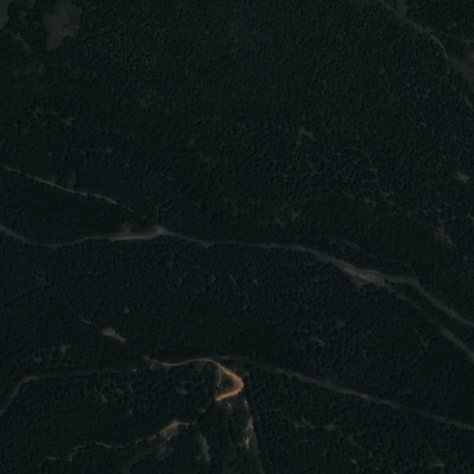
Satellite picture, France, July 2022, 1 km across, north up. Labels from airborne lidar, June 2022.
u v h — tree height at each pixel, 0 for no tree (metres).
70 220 15
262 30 14
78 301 22
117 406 9
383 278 0
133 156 19
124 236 0
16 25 14
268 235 21
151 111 19
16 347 17
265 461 14
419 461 24
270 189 19
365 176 16
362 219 11
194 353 18
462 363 17
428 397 13
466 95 15
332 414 18
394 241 16
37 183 11
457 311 14
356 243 18
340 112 11
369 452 18
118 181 18
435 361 22
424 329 26
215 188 14
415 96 10
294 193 14
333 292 17
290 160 15
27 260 13
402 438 13
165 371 11
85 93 24
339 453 19
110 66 11
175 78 12
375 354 16
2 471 22
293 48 10
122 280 24
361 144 13
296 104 11
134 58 16
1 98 13
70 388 26
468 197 13
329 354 10
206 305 12
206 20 14
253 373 16
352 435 20
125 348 13
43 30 15
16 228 26
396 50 12
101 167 17
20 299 17
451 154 12
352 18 12
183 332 28
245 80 13
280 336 19
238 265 18
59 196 18
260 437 19
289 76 13
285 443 21
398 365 19
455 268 12
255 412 16
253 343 15
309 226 25
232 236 21
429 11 13
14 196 24
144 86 15
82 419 16
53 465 21
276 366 17
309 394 23
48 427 9
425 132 18
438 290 21
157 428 17
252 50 14
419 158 17
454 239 16
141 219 19
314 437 19
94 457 18
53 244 19
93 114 25
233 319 21
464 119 14
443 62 14
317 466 13
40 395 26
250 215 6
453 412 18
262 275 29
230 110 12
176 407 21
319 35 10
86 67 12
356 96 11
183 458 14
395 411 14
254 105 16
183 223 20
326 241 25
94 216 19
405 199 10
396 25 6
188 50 11
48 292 29
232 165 12
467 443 13
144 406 21
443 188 14
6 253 27
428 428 15
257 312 22
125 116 20
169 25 12
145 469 14
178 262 27
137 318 13
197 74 14
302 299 21
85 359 20
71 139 19
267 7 14
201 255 25
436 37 7
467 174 6
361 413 21
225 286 12
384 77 13
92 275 6
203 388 18
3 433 24
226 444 9
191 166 10
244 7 8
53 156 9
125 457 14
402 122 12
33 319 20
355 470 20
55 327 13
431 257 15
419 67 14
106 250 21
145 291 16
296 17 8
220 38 14
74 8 0
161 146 17
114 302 15
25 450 18
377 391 23
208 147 15
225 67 9
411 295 15
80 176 22
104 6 14
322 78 11
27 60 11
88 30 13
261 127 21
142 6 9
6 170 12
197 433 15
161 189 18
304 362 19
